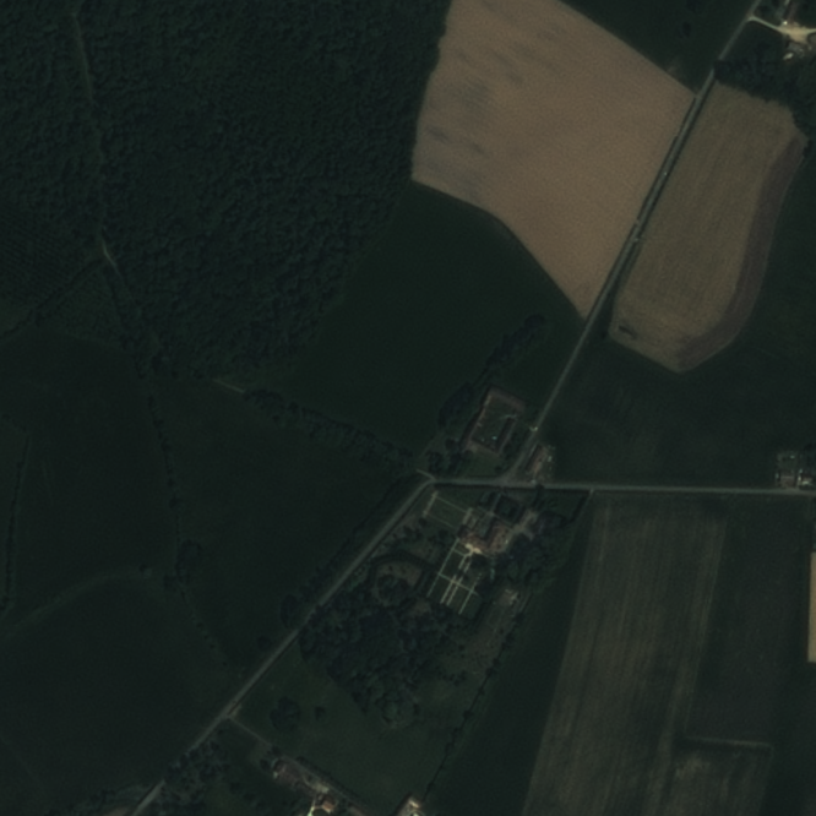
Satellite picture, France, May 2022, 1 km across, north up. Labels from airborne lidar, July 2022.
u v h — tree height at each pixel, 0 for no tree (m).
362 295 0
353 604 27
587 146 0
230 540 0
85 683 0
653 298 0
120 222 28
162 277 27
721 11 0
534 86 0
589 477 0
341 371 0
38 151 22
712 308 0
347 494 0
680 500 0
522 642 0
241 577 0
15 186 26
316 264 32
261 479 0
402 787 0
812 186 0
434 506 0
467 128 0
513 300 0
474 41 0
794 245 0
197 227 22
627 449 0
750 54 0
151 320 23
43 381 0
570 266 0
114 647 0
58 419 0
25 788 0
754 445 0
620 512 0
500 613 0
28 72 22
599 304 0
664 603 0
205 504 0
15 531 13
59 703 0
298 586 0
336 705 0
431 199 0
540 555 31
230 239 26
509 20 0
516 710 0
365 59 29
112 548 0
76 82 24
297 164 30
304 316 26
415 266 0
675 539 0
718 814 0
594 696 0
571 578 0
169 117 30
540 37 0
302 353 25
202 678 0
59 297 7
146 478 0
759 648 0
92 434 0
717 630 0
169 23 28
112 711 0
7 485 0
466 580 29
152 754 0
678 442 0
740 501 0
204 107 16
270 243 29
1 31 29
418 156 0
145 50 26
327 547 0
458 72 0
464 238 0
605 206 0
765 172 0
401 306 0
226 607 0
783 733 0
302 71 10
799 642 0
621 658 0
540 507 8
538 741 0
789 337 0
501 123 0
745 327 0
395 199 20
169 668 0
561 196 0
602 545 0
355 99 10
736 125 0
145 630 0
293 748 0
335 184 26
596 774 0
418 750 0
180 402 0
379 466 22
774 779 0
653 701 0
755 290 0
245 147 31
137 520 0
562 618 0
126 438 0
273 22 30
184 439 0
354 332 0
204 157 30
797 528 0
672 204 0
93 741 0
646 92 0
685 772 0
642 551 0
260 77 12
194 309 32
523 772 0
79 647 0
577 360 0
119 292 28
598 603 0
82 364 0
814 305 0
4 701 0
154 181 30
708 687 0
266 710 0
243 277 29
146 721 0
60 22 27
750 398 0
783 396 0
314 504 0
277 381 0
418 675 30
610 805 0
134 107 21
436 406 0
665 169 0
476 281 0
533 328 22
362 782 0
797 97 26
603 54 0
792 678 0
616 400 0
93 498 0
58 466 0
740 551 0
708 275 0
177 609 0
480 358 0
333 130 7
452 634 24
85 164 24
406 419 0
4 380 0
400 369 0
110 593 0
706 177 0
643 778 0
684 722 0
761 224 0
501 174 0
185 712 0
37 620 0
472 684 0
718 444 0
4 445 0
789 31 0
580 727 0
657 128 0
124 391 0
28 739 0
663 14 0
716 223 0
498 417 0
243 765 0
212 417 0
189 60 7
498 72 0
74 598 0
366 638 31
